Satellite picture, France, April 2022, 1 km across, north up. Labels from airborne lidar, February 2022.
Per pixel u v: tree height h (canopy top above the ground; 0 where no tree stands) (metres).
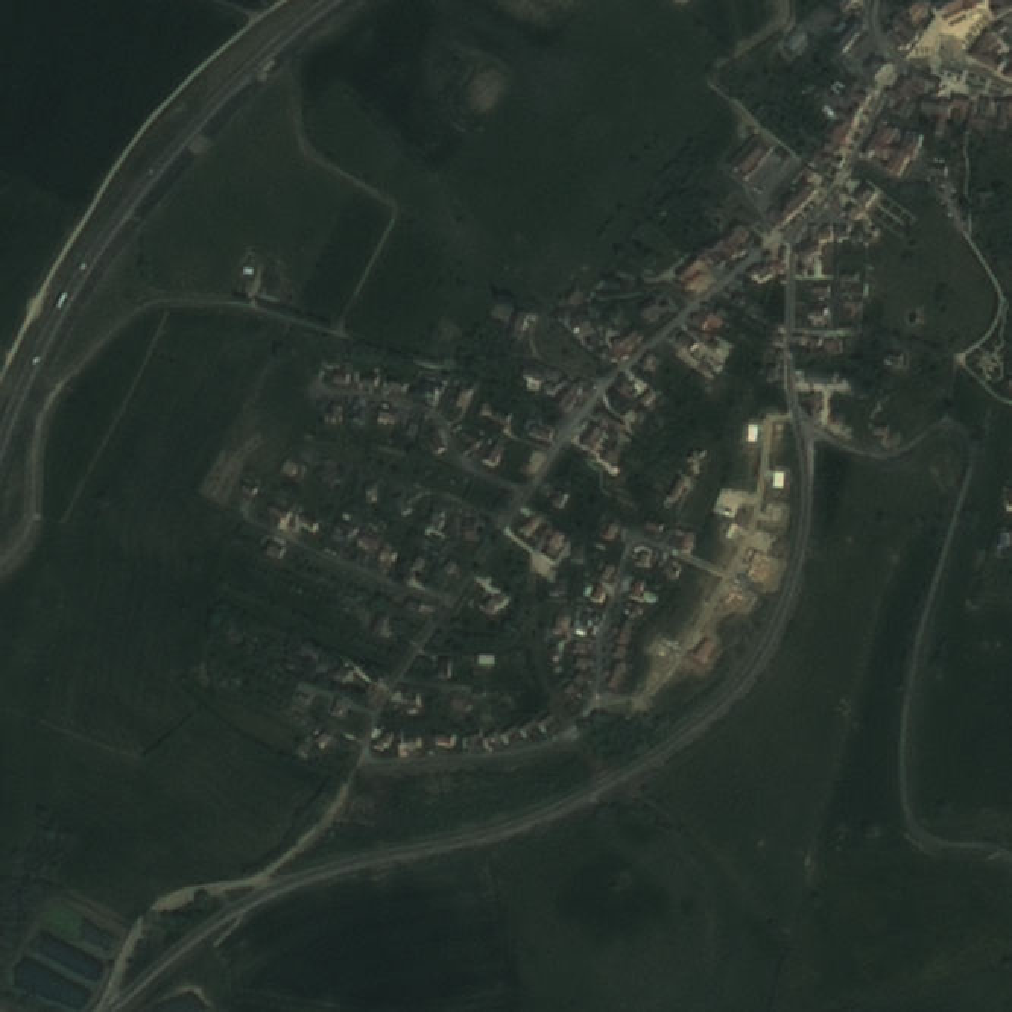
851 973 0
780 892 0
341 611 6
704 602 0
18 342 0
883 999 0
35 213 0
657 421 0
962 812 0
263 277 0
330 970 0
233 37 0
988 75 0
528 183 0
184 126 0
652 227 7
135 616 0
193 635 0
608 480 0
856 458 0
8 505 0
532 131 0
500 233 0
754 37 0
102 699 0
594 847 0
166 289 0
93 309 0
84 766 0
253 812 0
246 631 6
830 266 0
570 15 0
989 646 0
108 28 0
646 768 0
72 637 0
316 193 0
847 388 0
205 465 0
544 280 0
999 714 0
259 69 0
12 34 0
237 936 0
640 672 0
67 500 0
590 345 10
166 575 0
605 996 0
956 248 0
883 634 0
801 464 0
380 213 0
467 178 0
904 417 0
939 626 0
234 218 0
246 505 0
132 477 0
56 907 0
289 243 0
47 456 0
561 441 0
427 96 0
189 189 0
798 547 0
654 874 0
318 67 0
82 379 0
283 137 0
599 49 0
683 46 0
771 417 0
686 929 0
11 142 0
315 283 0
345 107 0
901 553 0
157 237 0
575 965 0
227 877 0
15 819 0
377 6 0
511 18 0
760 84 13
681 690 0
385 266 0
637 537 0
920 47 0
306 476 0
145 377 0
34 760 0
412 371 13
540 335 0
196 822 0
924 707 0
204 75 0
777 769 0
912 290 0
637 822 0
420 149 0
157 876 0
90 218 0
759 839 0
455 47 0
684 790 0
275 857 7
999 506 0
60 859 12
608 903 0
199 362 0
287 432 0
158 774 0
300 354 0
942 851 0
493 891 0
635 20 0
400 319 0
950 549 0
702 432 0
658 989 0
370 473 0
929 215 0
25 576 0
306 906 0
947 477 0
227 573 0
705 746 0
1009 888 0
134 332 0
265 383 0
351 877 0
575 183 0
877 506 0
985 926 0
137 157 0
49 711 0
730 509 0
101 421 0
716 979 0
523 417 0
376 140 0
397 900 0
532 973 0
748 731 0
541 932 0
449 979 0
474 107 0
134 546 0
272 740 0
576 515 0
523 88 0
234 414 0
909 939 0
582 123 0
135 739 0
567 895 0
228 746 0
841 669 0
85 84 0
